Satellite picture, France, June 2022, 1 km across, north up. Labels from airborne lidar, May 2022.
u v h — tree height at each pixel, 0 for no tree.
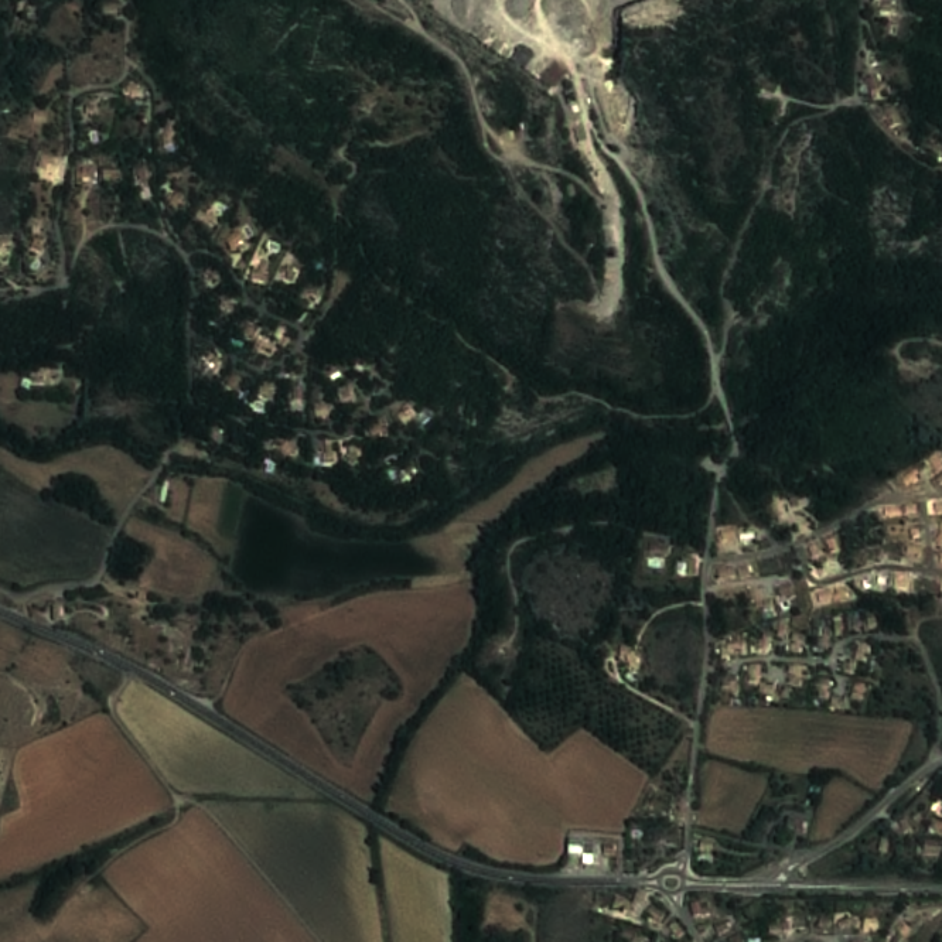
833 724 0
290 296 7
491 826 0
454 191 8
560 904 0
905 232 8
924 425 7
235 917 0
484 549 11
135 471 0
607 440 11
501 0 0
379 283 8
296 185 10
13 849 0
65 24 0
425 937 0
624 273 8
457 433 6
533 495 12
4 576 0
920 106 9
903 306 10
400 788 0
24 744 0
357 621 0
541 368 9
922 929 0
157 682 0
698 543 10
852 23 7
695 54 6
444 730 0
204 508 0
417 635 0
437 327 10
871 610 8
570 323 0
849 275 12
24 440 13
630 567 6
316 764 0
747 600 9
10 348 11
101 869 0
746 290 9
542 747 10
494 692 9
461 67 0
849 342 15
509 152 0
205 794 0
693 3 0
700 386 12
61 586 0
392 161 8
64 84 10
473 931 9
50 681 0
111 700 0
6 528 0
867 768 0
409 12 0
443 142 8
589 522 9
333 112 10
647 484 10
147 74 8
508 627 0
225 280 8
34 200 6
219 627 7
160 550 0
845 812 0
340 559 0
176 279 7
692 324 10
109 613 0
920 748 0
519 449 14
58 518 0
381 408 11
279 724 0
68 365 10
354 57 6
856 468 9
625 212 9
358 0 0
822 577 0
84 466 0
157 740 0
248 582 0
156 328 8
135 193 8
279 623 11
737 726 0
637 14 0
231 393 8
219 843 0
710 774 0
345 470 10
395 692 8
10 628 0
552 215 0
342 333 10
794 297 9
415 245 7
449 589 0
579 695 7
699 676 0
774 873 0
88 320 9
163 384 11
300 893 0
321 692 7
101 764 0
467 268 10
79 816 0
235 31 0
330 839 0
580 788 0
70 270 10
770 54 5
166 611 10
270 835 0
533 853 0
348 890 0
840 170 8
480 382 8
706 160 6
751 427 11
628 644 10
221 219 7
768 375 9
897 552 0
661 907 7
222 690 0
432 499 9
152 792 0
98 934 0
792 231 7
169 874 0
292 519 0
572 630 0
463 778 0
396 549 0
